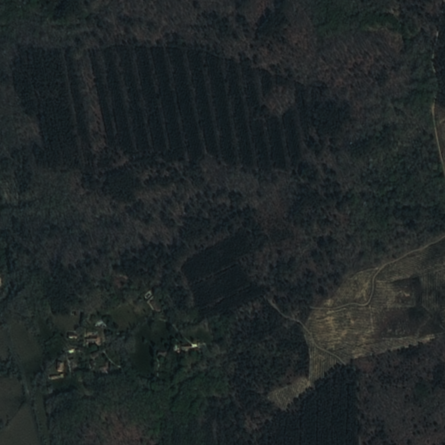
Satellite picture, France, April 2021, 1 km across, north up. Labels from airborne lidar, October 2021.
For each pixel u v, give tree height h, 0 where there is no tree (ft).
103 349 31
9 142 57
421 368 18
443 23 50
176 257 86
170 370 21
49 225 56
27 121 41
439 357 27
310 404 63
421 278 0
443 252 0
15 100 51
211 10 33
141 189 75
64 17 79
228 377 24
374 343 0
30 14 65
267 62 41
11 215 50
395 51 42
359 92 26
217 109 48
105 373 31
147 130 21
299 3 51
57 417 82
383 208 64
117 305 60
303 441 67
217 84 44
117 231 66
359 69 36
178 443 66
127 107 31
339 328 0
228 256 32
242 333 22
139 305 82
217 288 26
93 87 27
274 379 35
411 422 25
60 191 45
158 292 66
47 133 67
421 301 0
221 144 42
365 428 29
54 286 83
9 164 64
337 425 68
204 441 57
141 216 79
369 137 69
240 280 32
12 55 33
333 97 44
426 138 82
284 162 44
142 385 57
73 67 48
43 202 58
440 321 0
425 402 18
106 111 45
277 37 57
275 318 24
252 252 46
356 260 20
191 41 31
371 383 24
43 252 62
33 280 74
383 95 28
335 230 46
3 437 0
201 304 34
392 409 29
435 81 72
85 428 60
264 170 56
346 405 66
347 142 52
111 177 71
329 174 71
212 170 43
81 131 40
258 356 19
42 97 69
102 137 25
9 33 44
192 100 41
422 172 62
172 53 46
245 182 51
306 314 23
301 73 46
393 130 79
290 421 65
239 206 58
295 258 34
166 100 47
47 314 59
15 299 60
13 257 47
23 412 0
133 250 46
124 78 46
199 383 78
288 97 40
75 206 67
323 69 28
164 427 46
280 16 81
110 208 64
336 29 65
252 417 30
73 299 68
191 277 26
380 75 42
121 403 51
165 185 70
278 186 69
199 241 77
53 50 55
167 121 43
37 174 51
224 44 91
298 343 22
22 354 0
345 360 0
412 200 74
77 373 55
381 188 89
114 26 38
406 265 0
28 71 70
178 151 41
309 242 39
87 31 70
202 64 50
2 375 34
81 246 76
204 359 69
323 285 64
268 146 36
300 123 46
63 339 32
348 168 57
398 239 41
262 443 63
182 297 50
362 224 68
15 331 0
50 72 70
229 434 65
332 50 57
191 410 88
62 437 53
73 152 71
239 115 45
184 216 48
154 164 46
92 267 84
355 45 35
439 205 76
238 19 26
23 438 0
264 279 28
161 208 48
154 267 78
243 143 46
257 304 33
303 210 83
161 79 45
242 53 34
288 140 43
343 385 61
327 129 85
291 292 70
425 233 50
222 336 47
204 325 40
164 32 43
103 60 46
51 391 45
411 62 34
